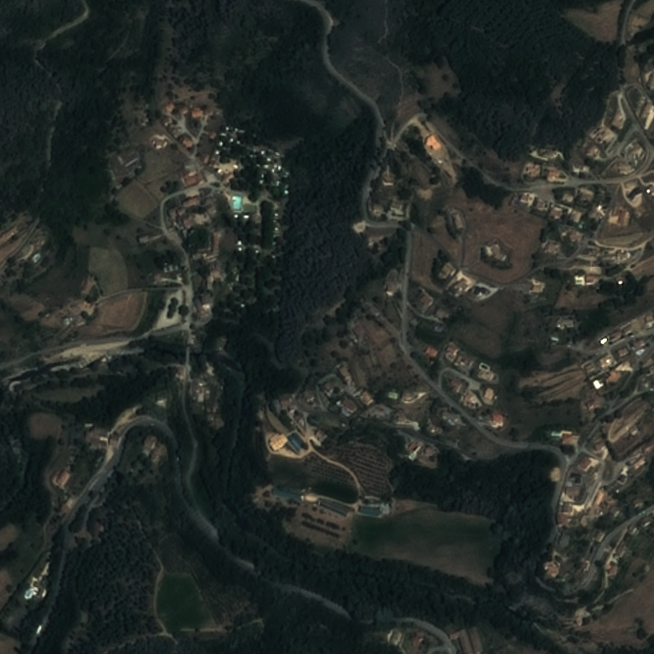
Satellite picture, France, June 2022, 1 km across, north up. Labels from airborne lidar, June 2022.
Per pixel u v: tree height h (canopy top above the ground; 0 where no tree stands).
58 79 23
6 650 0
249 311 19
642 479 6
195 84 11
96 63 16
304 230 14
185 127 0
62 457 0
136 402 14
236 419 14
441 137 0
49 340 7
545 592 9
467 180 11
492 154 0
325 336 9
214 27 8
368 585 16
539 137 9
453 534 0
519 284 0
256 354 21
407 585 22
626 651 10
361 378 0
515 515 28
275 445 0
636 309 0
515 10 26
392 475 10
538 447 0
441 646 7
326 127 10
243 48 6
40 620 17
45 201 15
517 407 0
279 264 13
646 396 10
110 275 0
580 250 0
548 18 23
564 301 0
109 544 20
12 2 9
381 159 12
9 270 10
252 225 18
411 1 12
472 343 0
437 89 0
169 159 0
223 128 10
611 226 0
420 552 0
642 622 8
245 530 16
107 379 15
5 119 14
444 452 7
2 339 0
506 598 17
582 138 11
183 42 15
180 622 0
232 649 14
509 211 0
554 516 12
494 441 0
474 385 0
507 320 0
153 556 14
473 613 7
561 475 0
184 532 15
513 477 14
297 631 13
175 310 12
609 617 0
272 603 8
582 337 11
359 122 14
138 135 0
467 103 16
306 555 18
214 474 21
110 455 0
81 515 14
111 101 10
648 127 0
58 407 8
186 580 0
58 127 12
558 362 0
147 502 7
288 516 8
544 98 12
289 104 15
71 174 10
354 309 11
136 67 12
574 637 7
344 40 0
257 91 15
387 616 34
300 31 16
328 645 15
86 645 20
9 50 10
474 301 0
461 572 0
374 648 8
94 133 13
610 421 15
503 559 20
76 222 6
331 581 20
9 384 0
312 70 5
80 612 8
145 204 0
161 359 15
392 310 0
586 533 8
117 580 17
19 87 10
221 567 15
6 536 0
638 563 0
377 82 0
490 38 27
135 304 0
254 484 8
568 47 23
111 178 7
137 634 14
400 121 0
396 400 0
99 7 9
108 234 7
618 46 10
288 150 11
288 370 11
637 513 13
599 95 16
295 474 0
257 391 10
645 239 0
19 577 0
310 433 0
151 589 9
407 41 15
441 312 0
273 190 18
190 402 7
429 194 0
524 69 9
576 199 7
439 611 21
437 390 0
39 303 0
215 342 16
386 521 0
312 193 9
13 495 18
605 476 0
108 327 0
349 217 18
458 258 0
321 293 15
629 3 8
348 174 21
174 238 0
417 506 0
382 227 0
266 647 19
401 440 6
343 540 0
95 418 10
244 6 11
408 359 0
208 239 9
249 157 11
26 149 9
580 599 9
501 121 18
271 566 29
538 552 17
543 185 0
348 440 15
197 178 0
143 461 14
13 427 15
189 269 13
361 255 18
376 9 0
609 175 0
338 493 0
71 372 8
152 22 7
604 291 13
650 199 0
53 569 14
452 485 11
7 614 8
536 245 0
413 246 0
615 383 7
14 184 7
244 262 14
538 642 17
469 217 0
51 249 6
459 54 18
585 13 0
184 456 17
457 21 25
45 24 7
